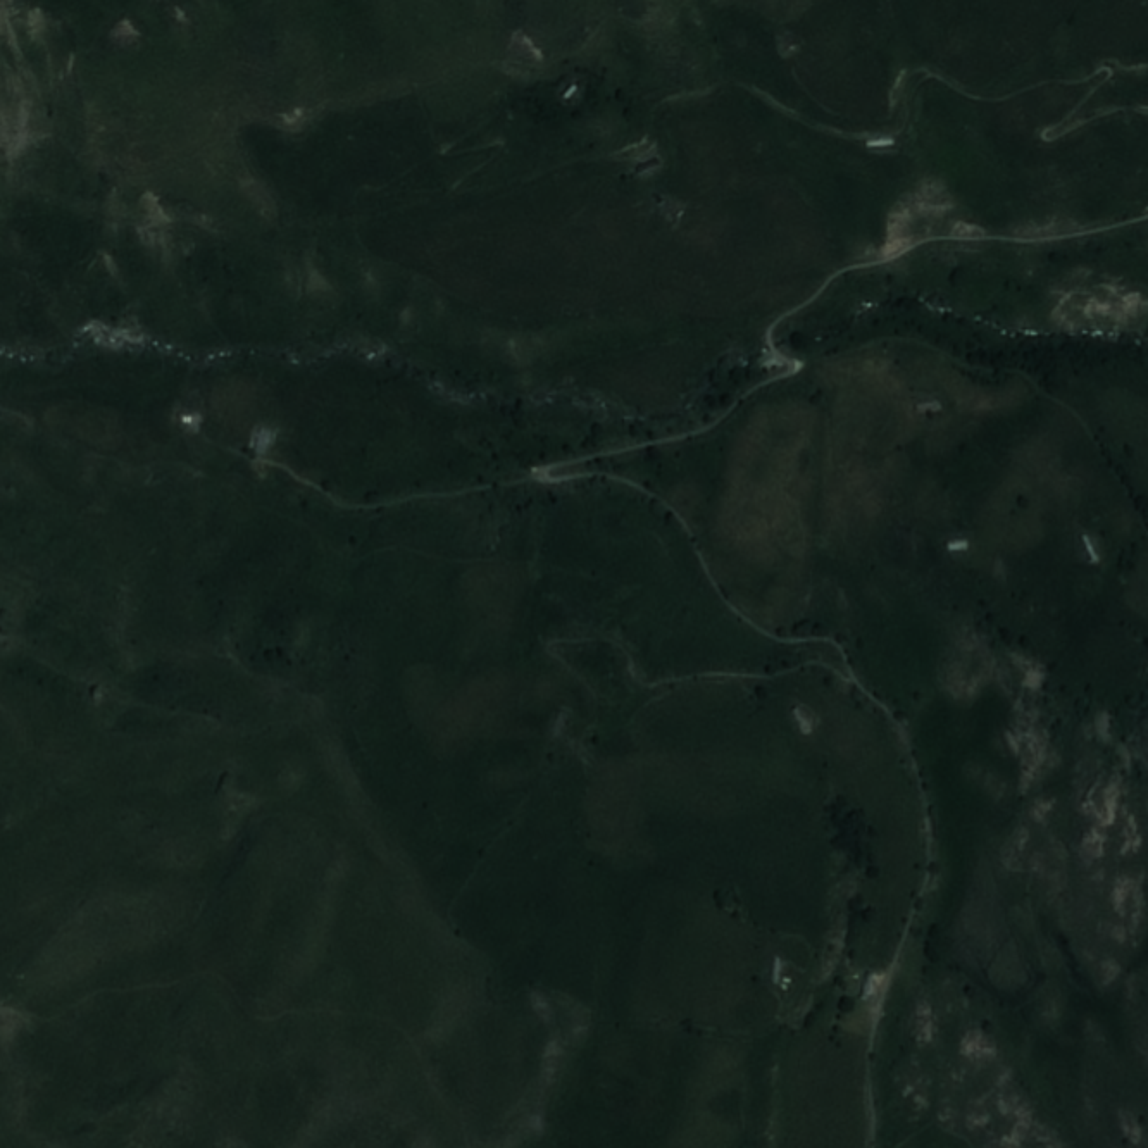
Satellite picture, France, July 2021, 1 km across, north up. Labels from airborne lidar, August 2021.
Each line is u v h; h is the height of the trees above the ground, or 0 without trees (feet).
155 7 0
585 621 0
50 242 0
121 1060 0
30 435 0
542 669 0
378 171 0
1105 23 0
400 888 0
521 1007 0
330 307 0
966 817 0
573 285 0
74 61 0
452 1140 0
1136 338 23
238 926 0
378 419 0
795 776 0
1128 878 0
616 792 0
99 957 0
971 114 0
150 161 0
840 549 0
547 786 0
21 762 0
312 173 0
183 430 0
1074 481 0
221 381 0
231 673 0
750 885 0
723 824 0
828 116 0
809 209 0
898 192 0
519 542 0
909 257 0
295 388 0
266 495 0
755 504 0
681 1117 0
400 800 0
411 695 0
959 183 0
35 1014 0
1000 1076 0
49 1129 0
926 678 0
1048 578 0
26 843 0
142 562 0
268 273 0
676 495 0
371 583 0
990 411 0
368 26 0
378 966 0
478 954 0
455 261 0
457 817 0
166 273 0
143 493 0
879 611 0
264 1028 0
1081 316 0
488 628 0
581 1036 0
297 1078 0
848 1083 0
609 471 26
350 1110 0
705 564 0
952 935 0
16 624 0
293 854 0
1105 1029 0
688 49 0
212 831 0
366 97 0
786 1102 0
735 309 0
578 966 0
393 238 0
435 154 0
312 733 0
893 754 0
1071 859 0
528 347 0
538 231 0
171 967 0
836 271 0
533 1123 0
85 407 0
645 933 0
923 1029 0
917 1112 0
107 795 0
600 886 0
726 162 0
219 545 0
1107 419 0
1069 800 0
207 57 0
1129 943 0
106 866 0
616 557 0
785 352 0
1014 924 0
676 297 0
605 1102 0
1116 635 0
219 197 0
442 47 0
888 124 0
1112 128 0
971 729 0
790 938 0
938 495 0
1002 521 0
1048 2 0
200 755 0
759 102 0
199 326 0
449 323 0
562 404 0
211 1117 0
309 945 0
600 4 0
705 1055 0
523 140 0
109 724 0
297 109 0
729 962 0
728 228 0
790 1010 0
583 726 0
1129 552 32
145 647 0
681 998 0
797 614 0
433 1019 0
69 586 0
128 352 20
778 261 0
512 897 0
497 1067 0
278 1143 0
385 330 0
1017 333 27
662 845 0
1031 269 0
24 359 0
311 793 0
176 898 0
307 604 0
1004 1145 0
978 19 0
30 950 0
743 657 0
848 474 0
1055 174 0
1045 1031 0
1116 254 0
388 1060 0
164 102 0
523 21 0
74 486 0
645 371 0
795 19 0
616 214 0
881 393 0
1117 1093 0
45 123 0
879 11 0
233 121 0
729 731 0
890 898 0
